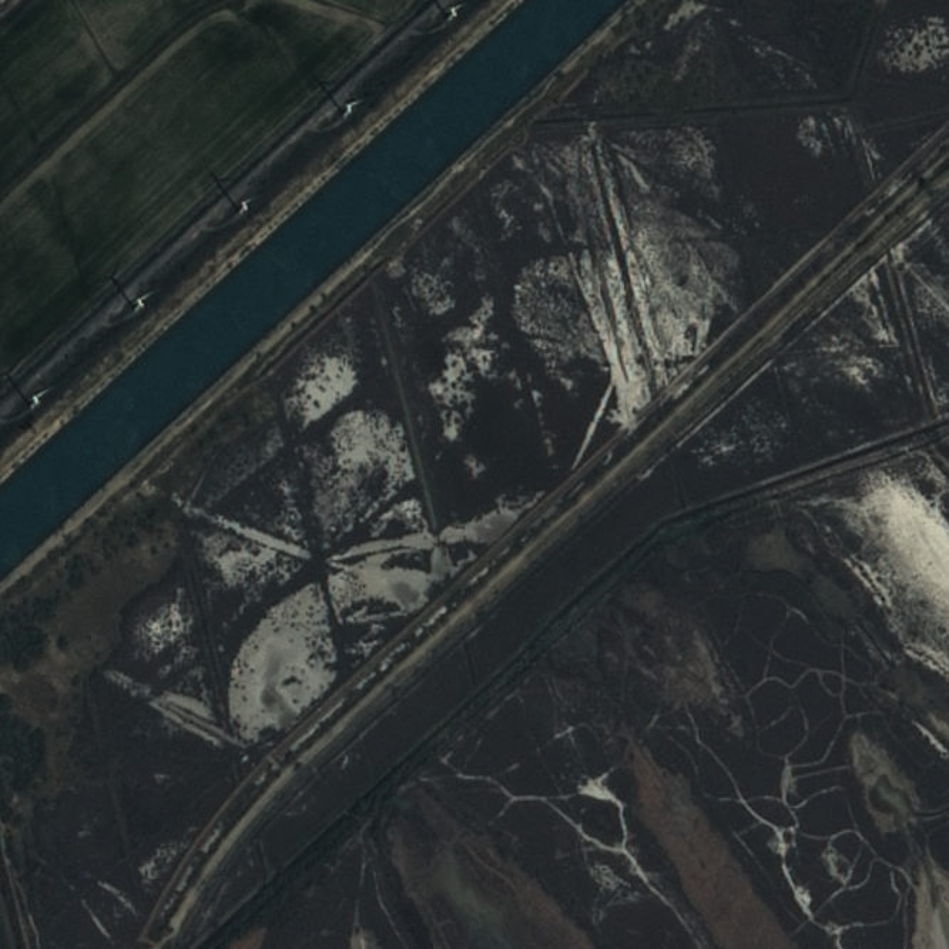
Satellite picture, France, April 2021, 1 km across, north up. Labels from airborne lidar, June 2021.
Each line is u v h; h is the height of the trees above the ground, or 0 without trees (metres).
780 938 0
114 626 0
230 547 0
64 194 0
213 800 0
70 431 0
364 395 0
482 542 0
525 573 0
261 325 0
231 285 0
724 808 0
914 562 0
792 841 0
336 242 0
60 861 0
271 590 0
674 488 0
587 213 0
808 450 0
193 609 0
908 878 0
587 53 0
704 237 0
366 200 0
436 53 0
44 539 0
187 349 0
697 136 0
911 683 0
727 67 0
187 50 0
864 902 0
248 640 0
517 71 0
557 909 0
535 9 0
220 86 0
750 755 0
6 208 0
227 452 0
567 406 0
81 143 0
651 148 0
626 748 0
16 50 0
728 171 0
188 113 0
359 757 0
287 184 0
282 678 0
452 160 0
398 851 0
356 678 0
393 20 0
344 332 0
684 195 0
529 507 0
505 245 0
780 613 0
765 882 0
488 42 0
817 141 0
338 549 0
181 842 0
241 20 0
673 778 0
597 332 0
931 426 0
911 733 0
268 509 0
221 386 0
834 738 0
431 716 0
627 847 0
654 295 0
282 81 0
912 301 0
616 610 0
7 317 0
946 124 0
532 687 0
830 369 0
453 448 0
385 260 0
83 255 0
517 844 0
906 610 0
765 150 0
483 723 0
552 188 0
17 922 0
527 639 0
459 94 0
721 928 0
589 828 0
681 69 0
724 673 0
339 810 0
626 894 0
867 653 0
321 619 0
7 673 0
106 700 0
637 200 0
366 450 0
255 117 0
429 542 0
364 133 0
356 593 0
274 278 0
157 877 0
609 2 0
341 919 0
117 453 0
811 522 0
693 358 0
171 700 0
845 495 0
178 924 0
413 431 0
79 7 0
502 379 0
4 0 0
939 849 0
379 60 0
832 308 0
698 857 0
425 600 0
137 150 0
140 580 0
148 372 0
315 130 0
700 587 0
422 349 0
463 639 0
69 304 0
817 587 0
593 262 0
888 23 0
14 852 7
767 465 0
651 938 0
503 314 0
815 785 0
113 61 0
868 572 0
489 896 0
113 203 0
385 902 0
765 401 0
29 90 0
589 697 0
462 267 0
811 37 0
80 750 0
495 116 0
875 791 0
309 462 0
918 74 0
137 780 0
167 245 0
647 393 0
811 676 0
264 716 0
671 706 0
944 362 0
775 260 0
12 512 0
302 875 9
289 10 0
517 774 0
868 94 0
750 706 0
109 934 0
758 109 0
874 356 0
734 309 0
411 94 0
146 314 0
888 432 0
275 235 0
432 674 0
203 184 0
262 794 0
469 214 0
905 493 0
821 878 0
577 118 0
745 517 0
